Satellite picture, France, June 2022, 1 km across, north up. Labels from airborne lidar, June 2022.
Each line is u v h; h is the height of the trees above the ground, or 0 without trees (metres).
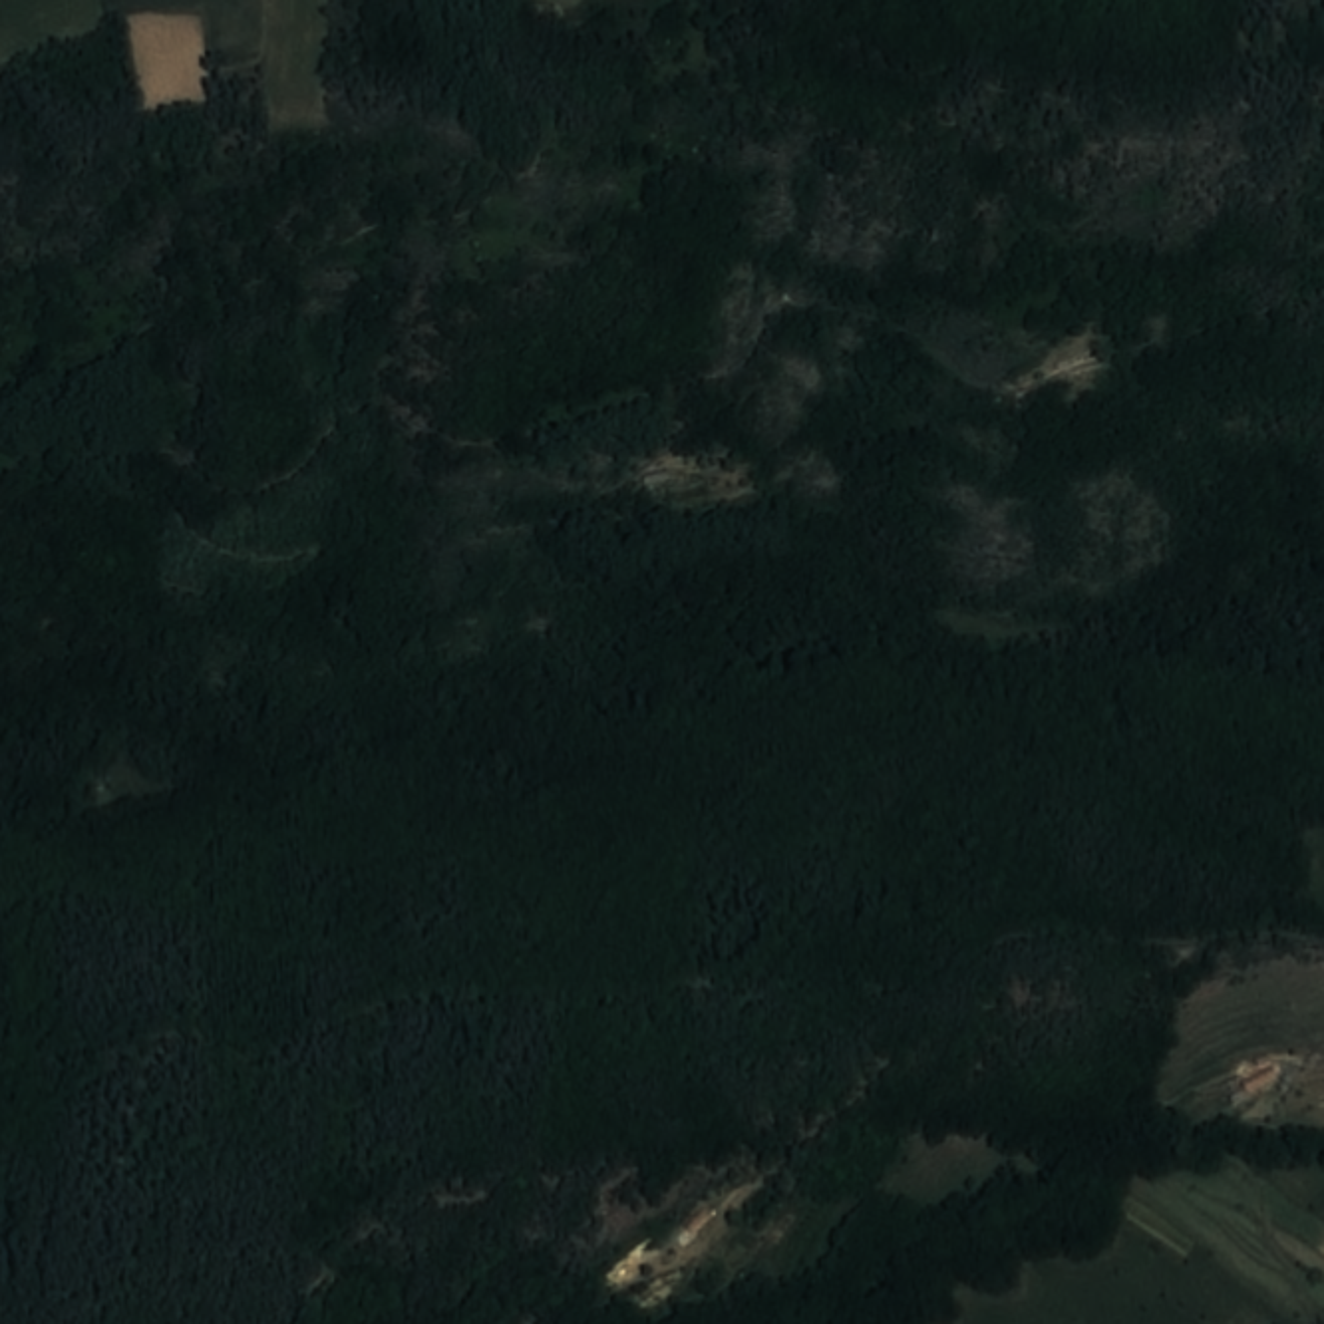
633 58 16
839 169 18
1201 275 21
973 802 16
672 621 26
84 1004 17
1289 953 9
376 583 20
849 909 18
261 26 0
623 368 25
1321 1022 0
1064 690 19
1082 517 10
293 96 0
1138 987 12
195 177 6
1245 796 19
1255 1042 0
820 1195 14
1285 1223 0
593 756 22
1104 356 22
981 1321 0
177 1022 14
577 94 19
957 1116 18
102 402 25
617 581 31
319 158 15
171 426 8
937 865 15
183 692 22
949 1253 27
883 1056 12
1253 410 13
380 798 18
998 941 11
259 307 12
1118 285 13
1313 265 12
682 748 25
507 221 0
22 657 13
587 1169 15
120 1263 16
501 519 10
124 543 14
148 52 0
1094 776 19
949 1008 21
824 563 18
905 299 9
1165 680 25
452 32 23
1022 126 8
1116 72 11
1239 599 29
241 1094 16
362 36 15
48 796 26
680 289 16
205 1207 12
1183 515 11
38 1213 14
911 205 13
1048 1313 0
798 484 7
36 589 13
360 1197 11
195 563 8
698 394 13
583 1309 20
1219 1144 23
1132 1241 0
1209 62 16
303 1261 14
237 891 16
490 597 9
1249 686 27
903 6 18
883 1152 11
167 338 16
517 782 16
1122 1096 21
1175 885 24
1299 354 15
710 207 19
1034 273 13
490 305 9
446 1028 14
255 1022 17
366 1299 16
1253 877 20
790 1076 8
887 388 16
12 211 7
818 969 20
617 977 16
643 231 17
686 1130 14
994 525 0
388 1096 11
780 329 14
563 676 18
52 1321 14
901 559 16
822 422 15
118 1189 16
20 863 22
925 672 25
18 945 18
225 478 12
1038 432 19
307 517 13
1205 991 0
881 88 13
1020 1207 29
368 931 13
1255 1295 0
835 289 10
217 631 10
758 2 12
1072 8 18
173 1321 16
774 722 20
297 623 14
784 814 20
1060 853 19
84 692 24
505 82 25
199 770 18
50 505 16
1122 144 11
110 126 18
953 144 16
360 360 16
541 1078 15
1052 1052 14
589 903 17
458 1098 12
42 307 12
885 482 16
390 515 23
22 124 8
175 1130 9
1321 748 19
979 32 18
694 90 15
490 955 16
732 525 28
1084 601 12
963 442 6
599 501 11
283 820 13
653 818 20
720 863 18
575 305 19
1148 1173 20
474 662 12
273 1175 16
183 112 18
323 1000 11
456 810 24
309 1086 15
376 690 19
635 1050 16
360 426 12
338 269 6
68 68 9
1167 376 14
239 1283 16
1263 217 15
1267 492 19
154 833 20
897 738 25
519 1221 16
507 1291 15
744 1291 18
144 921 16
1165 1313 0
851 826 18
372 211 13
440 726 21
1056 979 8
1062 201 9
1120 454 17
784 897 19
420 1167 13
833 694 28
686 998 14
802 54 15
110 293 7
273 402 14
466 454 10
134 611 14
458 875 13
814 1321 28
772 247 10
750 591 22
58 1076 14
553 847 15
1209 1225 0
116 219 11
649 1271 12
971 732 21
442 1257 17
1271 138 18
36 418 29
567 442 23
